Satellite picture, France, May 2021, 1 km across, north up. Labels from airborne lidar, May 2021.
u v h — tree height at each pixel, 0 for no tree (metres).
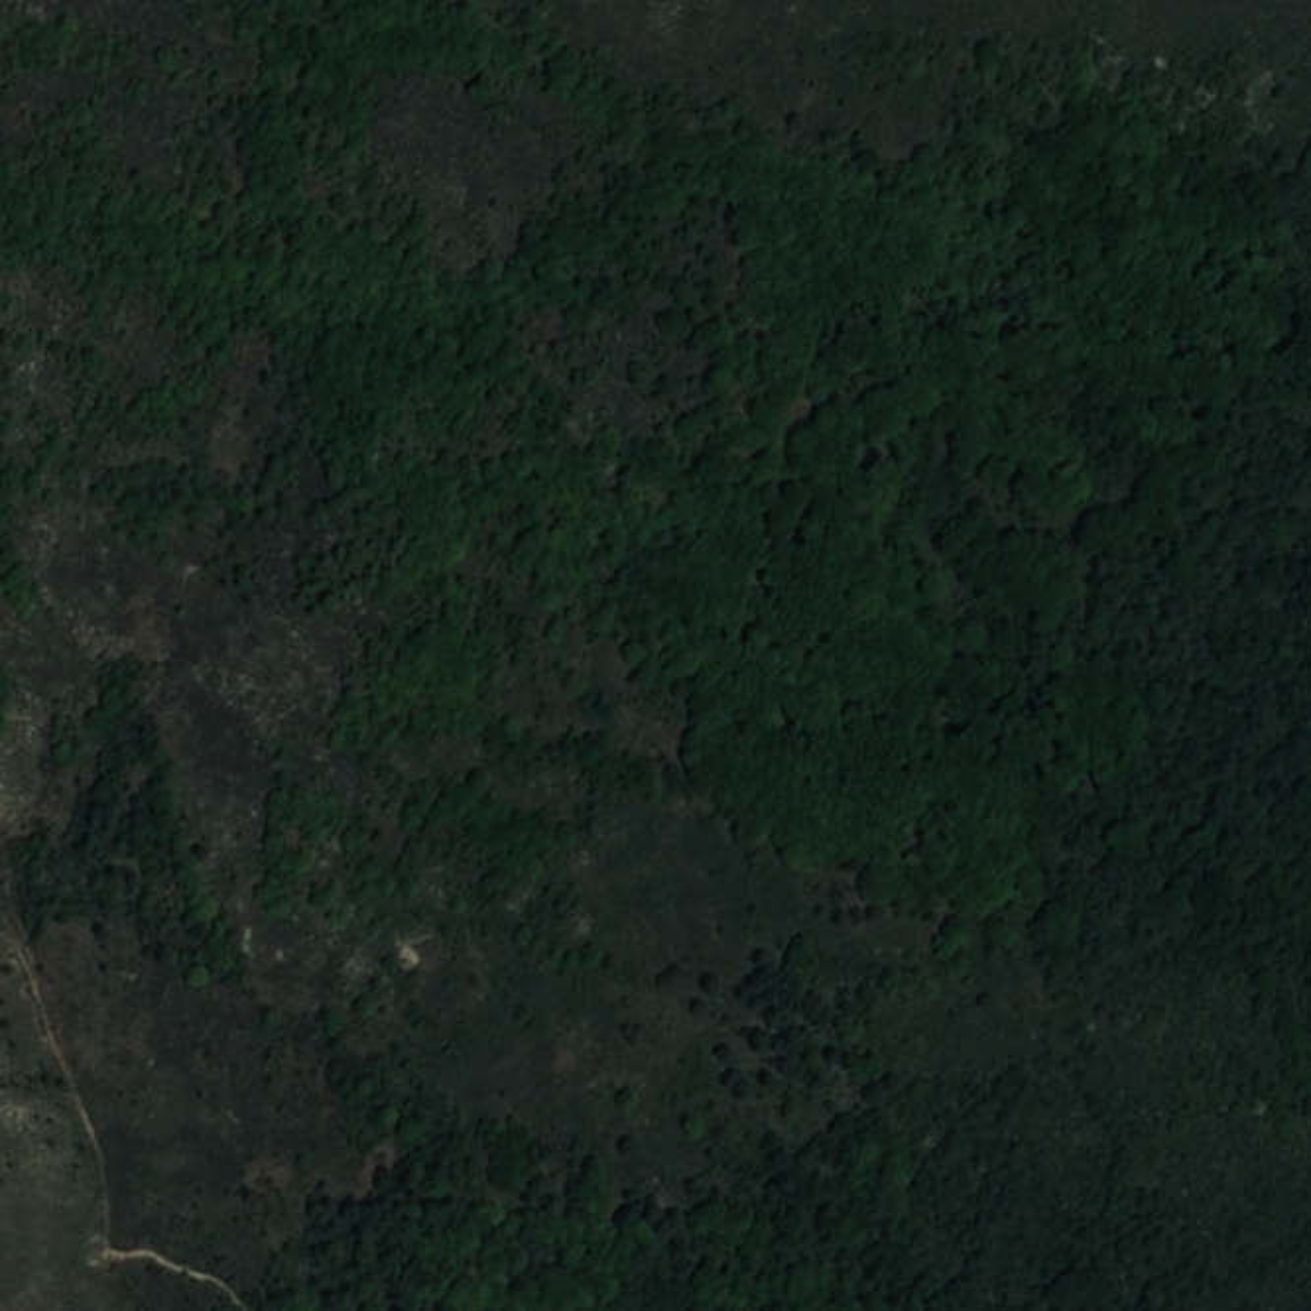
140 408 16
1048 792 20
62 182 13
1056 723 37
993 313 36
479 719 15
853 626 35
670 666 14
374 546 7
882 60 10
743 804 26
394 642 13
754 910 11
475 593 8
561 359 9
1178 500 24
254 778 0
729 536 32
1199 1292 7
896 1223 23
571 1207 23
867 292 32
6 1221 0
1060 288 35
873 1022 10
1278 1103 14
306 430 13
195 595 0
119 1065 0
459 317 17
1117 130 24
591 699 6
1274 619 13
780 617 36
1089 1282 24
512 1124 13
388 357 17
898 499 30
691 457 7
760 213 23
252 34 14
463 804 20
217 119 12
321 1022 8
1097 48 7
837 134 18
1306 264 22
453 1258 19
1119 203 33
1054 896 12
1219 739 14
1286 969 7
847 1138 20
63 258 13
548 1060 0
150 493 11
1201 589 21
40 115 12
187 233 15
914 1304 27
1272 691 23
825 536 31
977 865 27
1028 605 34
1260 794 20
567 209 12
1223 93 10
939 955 12
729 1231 19
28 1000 0
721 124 11
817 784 36
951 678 38
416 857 16
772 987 25
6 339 14
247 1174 7
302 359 13
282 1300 19
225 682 0
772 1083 27
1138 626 24
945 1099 14
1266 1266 7
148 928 11
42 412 9
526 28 16
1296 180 22
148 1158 0
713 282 14
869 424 27
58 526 0
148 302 7
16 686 6
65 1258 0
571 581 21
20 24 6
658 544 28
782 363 25
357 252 20
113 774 10
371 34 17
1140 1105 7
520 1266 30
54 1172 0
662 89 8
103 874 10
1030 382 13
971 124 16
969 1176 18
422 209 12
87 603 0
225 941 11
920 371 34
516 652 6
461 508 23
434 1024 6
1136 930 17
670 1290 32
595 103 16
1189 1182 7
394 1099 7
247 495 12
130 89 8
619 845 0
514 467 18
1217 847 10
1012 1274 8
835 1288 26
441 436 15
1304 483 19
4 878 0
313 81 17
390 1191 8
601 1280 30
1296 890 6
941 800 31
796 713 38
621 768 9
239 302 15
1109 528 36
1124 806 18
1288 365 22
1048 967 7
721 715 28
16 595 15
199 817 0
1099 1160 10
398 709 11
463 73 9
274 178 23
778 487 14
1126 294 31
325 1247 14
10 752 0
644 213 17
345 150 12
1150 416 32
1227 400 32
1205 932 11
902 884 23
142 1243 0
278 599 0
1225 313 30
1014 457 31
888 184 26
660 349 7
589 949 13
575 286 19
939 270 34
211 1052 8
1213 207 32
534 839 15
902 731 42
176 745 0
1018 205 24
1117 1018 16
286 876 11
